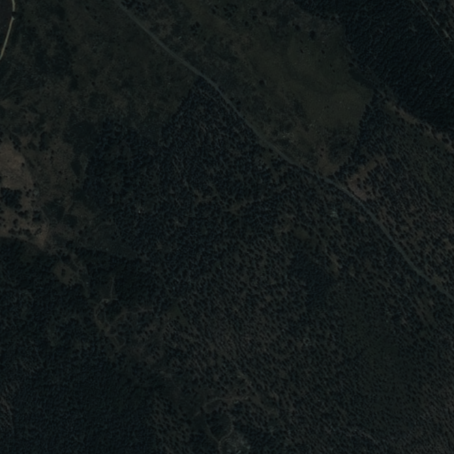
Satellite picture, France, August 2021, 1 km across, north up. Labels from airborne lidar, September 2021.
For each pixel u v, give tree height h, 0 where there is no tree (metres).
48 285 16
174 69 0
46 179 0
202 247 17
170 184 16
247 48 0
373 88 0
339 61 0
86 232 7
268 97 0
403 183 8
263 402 9
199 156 15
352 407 12
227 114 13
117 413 13
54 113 0
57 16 0
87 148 0
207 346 15
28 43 0
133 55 0
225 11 12
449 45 14
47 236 0
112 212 14
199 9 0
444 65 16
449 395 11
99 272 15
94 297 18
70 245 11
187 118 16
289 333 16
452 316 9
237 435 0
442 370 10
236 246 14
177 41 0
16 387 18
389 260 15
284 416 16
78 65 0
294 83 0
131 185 15
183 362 11
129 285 20
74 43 0
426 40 19
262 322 15
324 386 8
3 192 13
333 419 16
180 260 15
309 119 0
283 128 0
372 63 13
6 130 0
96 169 17
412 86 20
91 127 0
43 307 11
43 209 0
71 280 8
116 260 17
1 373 19
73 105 0
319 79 0
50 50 0
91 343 13
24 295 8
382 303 6
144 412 11
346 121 0
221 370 12
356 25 12
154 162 16
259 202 10
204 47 0
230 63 0
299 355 16
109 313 13
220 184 15
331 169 0
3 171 0
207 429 0
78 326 17
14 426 18
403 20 19
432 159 11
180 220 7
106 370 15
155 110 0
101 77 0
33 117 0
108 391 16
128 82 0
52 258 8
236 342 16
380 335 9
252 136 14
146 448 17
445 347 13
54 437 9
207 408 0
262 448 11
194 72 0
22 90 0
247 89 0
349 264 14
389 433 14
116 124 11
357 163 6
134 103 0
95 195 12
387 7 12
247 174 16
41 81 0
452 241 14
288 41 0
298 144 0
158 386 14
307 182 13
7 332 12
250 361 13
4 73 0
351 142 0
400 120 8
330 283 13
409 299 13
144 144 18
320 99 0
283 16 0
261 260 12
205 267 11
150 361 0
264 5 0
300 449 12
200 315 18
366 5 14
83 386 16
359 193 0
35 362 16
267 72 0
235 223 10
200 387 13
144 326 11
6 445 7
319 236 12
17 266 12
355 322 11
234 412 12
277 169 9
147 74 0
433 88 16
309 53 0
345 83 0
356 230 14
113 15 0
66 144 0
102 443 13
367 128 16
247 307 19
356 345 12
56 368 10
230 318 16
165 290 13
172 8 0
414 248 10
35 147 0
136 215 10
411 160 10
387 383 11
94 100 0
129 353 0
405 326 11
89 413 13
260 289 12
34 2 0
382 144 21
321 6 16
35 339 20
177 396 0
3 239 0
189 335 13
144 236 13
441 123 15
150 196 13
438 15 10
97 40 0
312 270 12
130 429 11
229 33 0
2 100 0
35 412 16
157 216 12
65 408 18
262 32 0
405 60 18
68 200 0
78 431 17
